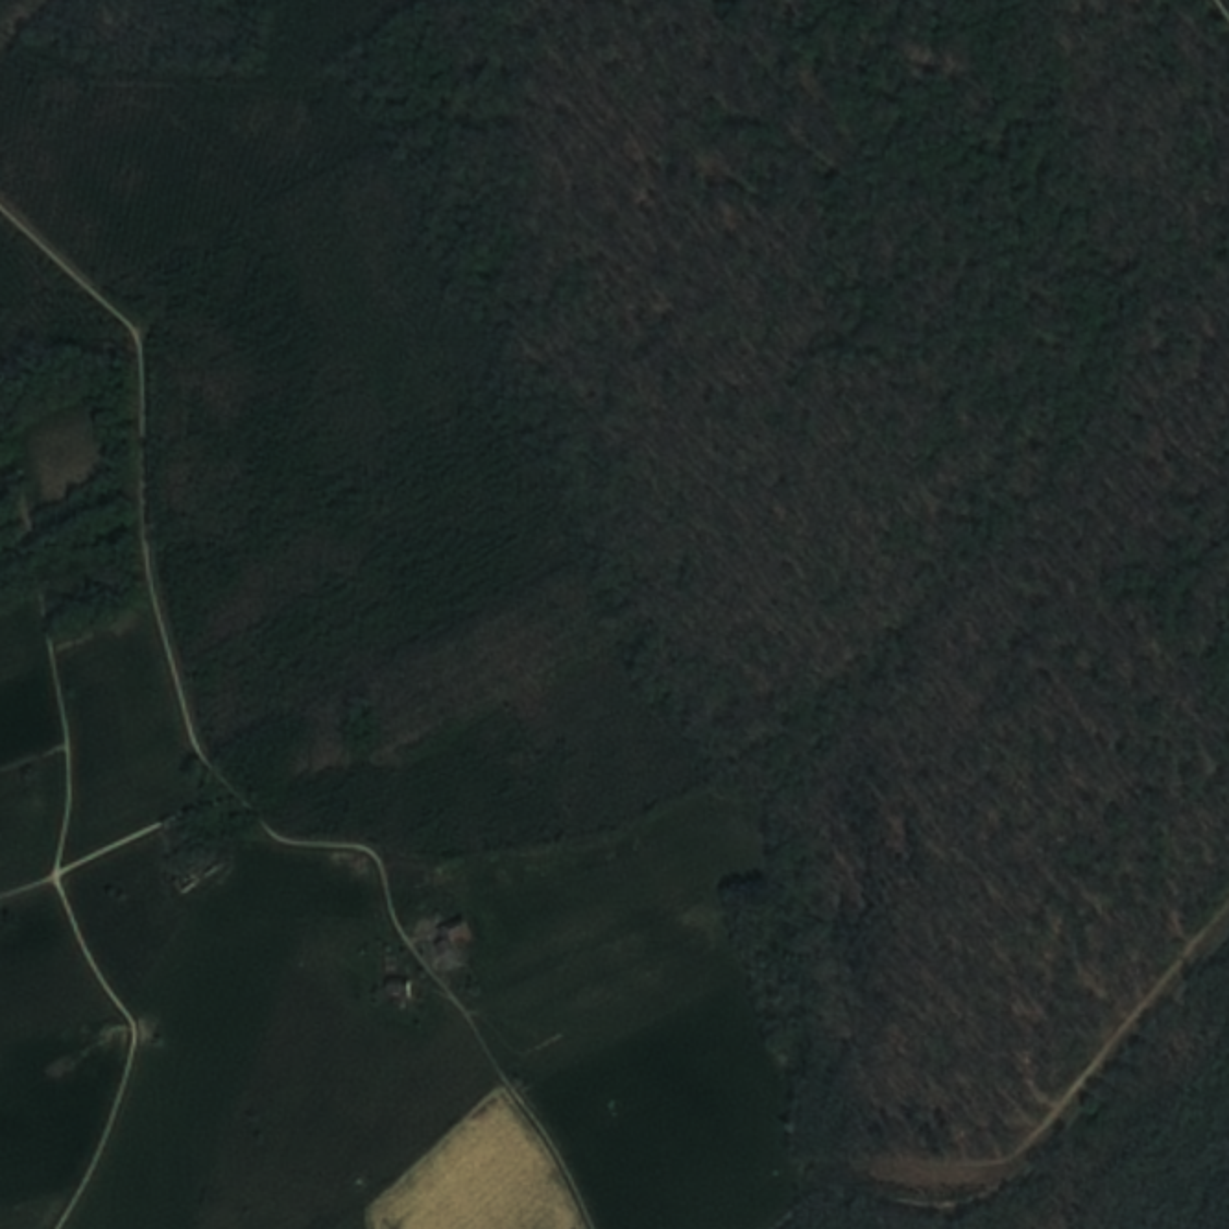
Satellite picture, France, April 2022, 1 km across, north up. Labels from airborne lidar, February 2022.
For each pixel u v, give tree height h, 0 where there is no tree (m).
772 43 31
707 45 30
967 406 26
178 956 0
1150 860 24
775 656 23
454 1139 0
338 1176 0
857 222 23
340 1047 0
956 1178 0
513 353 30
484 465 0
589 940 0
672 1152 0
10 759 0
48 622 9
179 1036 0
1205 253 22
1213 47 28
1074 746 30
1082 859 28
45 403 25
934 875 26
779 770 22
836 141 28
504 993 0
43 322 6
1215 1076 17
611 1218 0
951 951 25
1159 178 28
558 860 0
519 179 30
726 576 24
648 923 0
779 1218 0
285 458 0
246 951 0
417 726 0
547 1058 0
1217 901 20
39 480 0
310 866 0
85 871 0
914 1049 0
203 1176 0
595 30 28
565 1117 0
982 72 26
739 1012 0
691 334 27
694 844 0
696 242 31
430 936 0
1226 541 26
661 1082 0
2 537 22
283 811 6
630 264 28
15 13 0
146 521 0
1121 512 27
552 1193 0
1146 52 25
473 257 29
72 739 0
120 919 0
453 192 29
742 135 29
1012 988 24
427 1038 0
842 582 0
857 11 26
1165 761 26
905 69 26
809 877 24
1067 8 27
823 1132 22
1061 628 25
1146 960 28
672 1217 0
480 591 0
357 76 28
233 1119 0
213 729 8
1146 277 24
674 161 26
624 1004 0
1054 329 25
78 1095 0
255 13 19
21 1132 0
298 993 0
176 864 11
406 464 0
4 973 0
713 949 0
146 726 0
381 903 0
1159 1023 20
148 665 0
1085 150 26
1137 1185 22
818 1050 23
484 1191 0
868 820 29
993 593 26
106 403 14
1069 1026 27
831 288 21
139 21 26
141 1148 0
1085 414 22
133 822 0
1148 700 26
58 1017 0
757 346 24
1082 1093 0
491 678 0
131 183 8
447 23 29
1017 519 26
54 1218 0
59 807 0
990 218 29
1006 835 0
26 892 0
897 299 26
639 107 28
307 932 0
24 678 0
